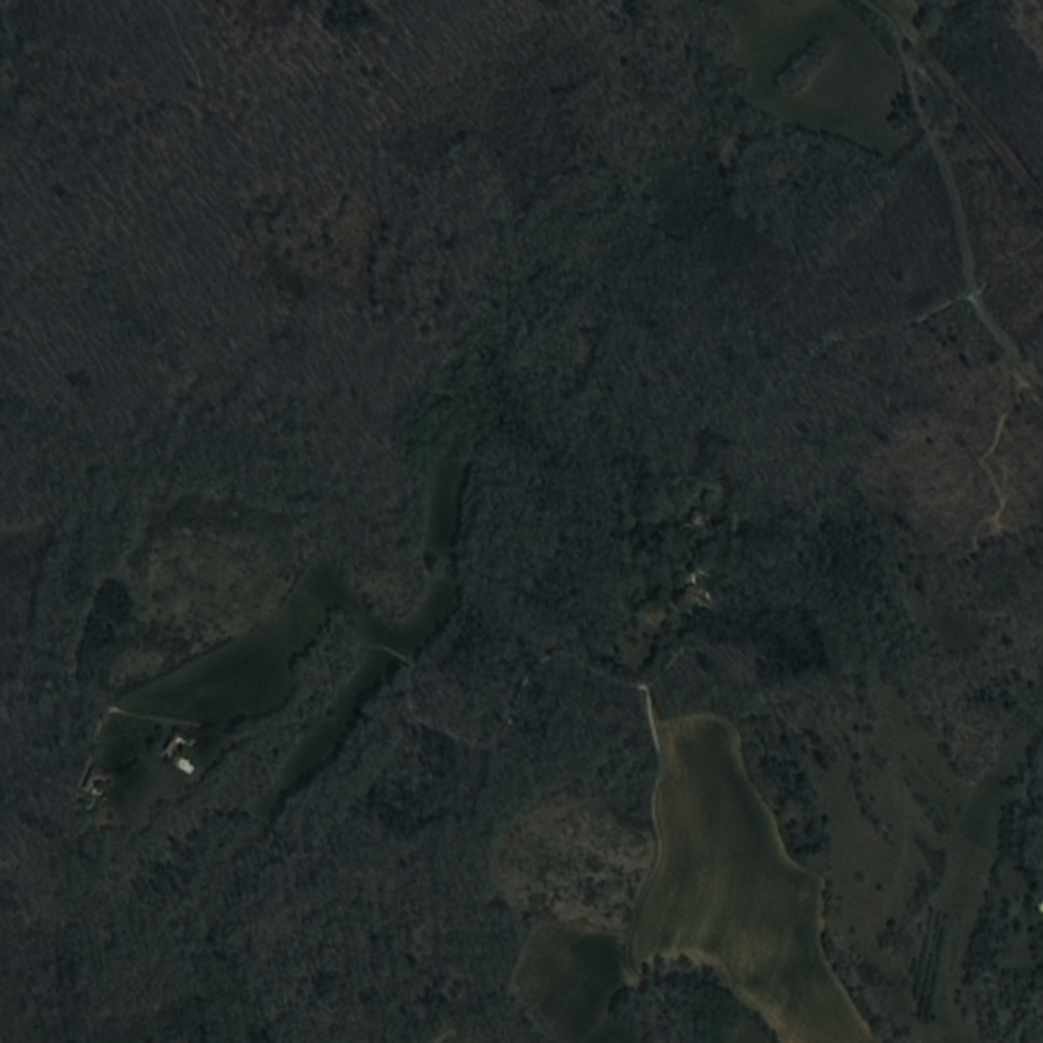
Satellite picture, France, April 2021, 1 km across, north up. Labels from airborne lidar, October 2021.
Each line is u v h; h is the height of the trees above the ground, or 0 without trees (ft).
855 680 21
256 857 29
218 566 0
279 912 45
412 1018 45
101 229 54
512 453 64
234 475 56
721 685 54
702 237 19
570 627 65
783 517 74
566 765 72
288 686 0
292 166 44
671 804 0
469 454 53
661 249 70
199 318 50
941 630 0
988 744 44
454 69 56
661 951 0
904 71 25
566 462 64
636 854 0
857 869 0
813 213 63
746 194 57
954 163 63
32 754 61
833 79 0
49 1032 23
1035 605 39
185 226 57
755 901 0
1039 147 60
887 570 47
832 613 58
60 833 66
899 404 38
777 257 22
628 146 60
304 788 46
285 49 33
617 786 66
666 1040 46
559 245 69
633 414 71
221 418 52
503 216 64
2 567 25
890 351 33
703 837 0
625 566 68
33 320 53
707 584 39
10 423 60
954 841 0
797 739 32
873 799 25
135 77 37
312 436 55
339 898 39
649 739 54
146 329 58
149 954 52
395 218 37
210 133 42
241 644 0
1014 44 49
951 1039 0
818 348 30
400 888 24
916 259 41
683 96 74
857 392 69
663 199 35
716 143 34
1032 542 60
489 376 55
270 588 0
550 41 34
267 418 65
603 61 31
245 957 36
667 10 39
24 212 56
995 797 0
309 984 43
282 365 56
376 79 44
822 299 36
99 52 43
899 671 62
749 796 0
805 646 65
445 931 42
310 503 43
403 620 29
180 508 23
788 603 53
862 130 0
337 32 105
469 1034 63
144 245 51
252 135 53
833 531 73
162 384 56
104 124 29
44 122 36
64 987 53
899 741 0
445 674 43
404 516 51
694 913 0
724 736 0
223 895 31
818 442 70
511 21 54
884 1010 0
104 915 68
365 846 52
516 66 29
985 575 47
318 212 48
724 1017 58
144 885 44
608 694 47
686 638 45
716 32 45
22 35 36
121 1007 60
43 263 40
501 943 73
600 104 42
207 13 30
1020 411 33
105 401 57
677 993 60
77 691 65
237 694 0
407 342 45
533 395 52
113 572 57
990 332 31
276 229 67
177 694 0
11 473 55
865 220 54
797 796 52
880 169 63
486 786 60
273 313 50
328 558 47
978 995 49
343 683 67
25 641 43
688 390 68
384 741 45
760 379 64
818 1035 0
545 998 0
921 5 50
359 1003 34
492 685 34
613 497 65
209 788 47
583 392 51
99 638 33
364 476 54
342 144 41
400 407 54
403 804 37
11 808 71
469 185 54
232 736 47
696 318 61
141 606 0
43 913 63
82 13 50
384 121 50
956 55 30
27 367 55
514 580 55
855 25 0
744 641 59
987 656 35
